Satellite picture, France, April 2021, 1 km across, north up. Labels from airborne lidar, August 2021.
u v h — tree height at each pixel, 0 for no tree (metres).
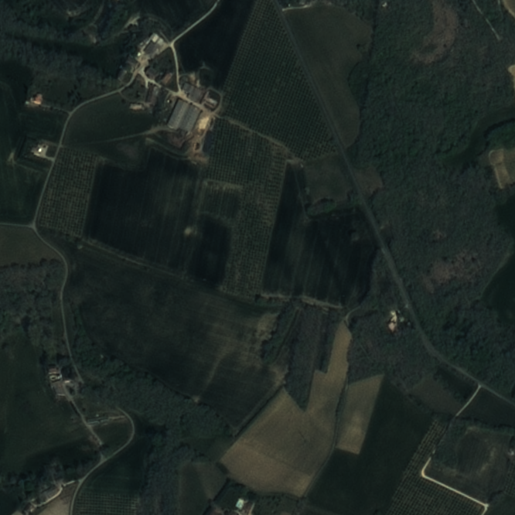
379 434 0
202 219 0
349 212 0
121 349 0
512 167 0
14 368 0
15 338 0
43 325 23
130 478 0
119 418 0
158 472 13
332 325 15
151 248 0
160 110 8
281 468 0
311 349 16
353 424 0
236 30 0
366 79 7
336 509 0
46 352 28
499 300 0
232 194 0
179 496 13
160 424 16
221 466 0
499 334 15
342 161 0
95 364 11
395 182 20
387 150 24
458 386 0
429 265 10
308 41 0
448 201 11
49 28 24
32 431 0
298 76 6
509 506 0
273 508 5
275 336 14
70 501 0
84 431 0
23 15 6
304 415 0
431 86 9
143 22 14
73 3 0
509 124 14
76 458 0
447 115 16
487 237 12
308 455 0
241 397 0
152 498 12
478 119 13
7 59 14
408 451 0
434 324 24
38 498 8
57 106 12
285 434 0
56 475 6
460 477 0
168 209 0
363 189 0
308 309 15
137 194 0
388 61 18
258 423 0
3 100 0
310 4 6
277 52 6
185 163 0
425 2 13
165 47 0
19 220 0
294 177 0
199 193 0
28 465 0
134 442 0
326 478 0
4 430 0
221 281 0
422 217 19
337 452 0
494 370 21
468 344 27
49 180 0
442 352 22
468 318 20
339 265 0
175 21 0
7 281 22
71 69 19
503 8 10
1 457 0
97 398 24
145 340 0
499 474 0
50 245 0
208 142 0
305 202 0
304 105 6
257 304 11
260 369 0
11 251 0
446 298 18
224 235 0
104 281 0
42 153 0
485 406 0
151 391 21
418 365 21
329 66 0
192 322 0
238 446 0
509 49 19
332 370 0
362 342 19
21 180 0
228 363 0
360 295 0
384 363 16
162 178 0
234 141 6
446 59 8
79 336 11
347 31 0
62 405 0
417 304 17
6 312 23
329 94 0
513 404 0
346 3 9
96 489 0
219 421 14
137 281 0
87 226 0
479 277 10
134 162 0
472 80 16
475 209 17
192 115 0
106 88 17
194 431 24
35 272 21
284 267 0
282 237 0
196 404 13
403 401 0
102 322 0
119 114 0
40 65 19
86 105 0
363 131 13
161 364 0
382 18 15
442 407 0
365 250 0
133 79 0
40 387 0
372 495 0
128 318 0
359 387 0
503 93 21
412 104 19
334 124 0
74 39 16
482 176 20
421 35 14
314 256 0
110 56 0
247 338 0
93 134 0
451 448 16
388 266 23
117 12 14
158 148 0
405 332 24
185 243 0
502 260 16
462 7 10
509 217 0
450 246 16
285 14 0
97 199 0
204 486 0
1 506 0
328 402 0
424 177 20
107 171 0
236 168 6
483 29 10
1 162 0
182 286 0
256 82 5
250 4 0
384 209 16
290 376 10
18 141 0
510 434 10
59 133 0
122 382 16
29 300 26
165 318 0
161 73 7
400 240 19
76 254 0
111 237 0
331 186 0
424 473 0
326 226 0
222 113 0
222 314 0
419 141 19
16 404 0
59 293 13
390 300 20
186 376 0
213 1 0
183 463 16
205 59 0
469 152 0
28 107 0
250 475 0
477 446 0
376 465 0
